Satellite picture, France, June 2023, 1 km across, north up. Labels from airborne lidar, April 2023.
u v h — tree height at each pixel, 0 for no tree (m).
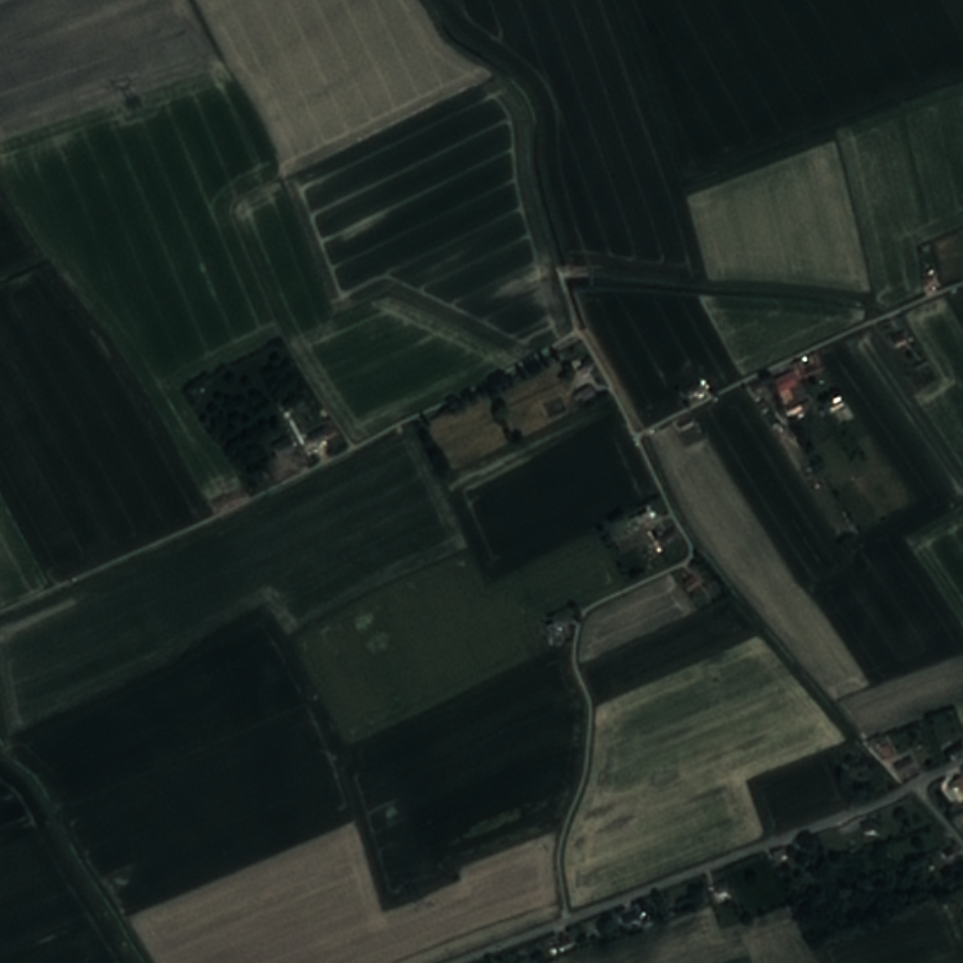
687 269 0
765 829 0
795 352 0
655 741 0
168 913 0
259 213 0
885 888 22
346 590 0
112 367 0
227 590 0
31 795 0
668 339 0
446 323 0
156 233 0
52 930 0
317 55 0
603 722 0
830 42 0
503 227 0
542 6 0
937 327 0
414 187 0
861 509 0
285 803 0
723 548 0
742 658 0
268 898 0
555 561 0
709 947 0
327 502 0
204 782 0
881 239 0
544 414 0
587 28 0
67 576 0
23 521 0
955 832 0
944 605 0
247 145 0
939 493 0
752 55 0
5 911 0
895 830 0
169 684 0
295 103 0
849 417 0
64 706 0
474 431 0
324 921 0
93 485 0
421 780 0
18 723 0
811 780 0
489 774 0
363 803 0
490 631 0
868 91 0
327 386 0
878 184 0
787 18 0
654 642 0
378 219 0
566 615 0
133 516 0
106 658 0
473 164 0
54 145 0
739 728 0
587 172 0
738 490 0
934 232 0
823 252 0
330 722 0
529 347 0
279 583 0
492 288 0
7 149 0
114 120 0
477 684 0
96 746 0
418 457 0
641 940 0
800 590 0
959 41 0
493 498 0
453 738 0
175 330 0
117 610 0
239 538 0
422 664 0
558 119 0
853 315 0
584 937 7
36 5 0
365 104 0
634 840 0
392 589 0
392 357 0
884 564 0
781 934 0
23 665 0
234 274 0
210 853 0
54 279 0
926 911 0
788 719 0
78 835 0
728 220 0
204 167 0
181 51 0
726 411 0
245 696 0
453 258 0
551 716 0
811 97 0
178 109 0
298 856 0
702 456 0
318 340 0
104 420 0
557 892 0
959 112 0
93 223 0
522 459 0
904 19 0
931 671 0
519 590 0
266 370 9
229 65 0
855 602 0
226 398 9
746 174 0
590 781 0
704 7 0
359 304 0
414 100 0
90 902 0
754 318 0
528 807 0
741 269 0
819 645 0
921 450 0
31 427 0
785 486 0
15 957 0
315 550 0
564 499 0
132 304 0
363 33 0
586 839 0
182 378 0
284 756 0
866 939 0
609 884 0
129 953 0
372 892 0
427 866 0
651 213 0
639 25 0
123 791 0
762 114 0
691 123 0
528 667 0
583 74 0
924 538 0
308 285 0
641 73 0
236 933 0
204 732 0
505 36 0
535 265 0
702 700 0
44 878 0
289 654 0
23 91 0
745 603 0
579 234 0
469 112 0
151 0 0
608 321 0
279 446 0
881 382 0
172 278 0
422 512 0
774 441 0
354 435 0
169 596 0
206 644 0
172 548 0
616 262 0
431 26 0
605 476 0
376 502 0
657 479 0
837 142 0
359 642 0
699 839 0
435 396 0
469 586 0
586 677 0
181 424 0
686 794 0
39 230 0
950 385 0
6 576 0
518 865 0
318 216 0
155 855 0
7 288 0
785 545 0
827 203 0
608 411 0
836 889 20
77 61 0
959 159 0
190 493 0
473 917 0
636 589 0
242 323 0
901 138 0
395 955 0
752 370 0
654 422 0
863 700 0
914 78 0
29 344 0
